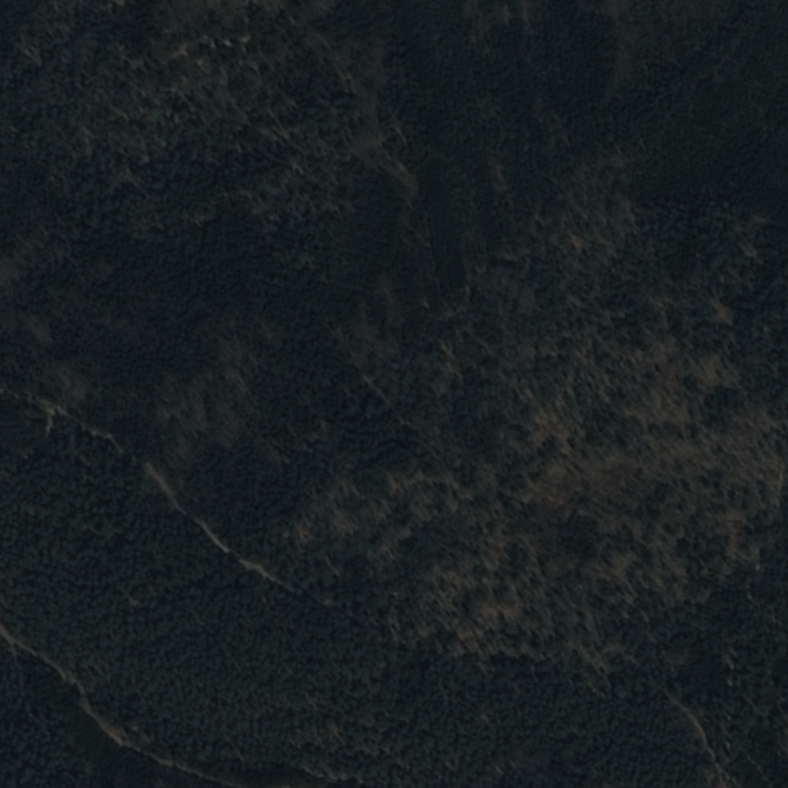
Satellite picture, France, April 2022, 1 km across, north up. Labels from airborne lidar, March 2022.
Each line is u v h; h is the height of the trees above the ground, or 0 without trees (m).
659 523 29
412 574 27
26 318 21
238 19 8
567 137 16
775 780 12
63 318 18
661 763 27
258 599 27
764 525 6
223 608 27
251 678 27
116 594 26
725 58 16
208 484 18
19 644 31
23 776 18
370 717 28
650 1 9
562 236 23
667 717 26
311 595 9
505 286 25
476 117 17
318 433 17
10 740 31
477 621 27
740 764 10
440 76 12
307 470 25
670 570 26
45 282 19
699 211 17
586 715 34
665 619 22
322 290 19
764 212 17
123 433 20
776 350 24
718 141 17
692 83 17
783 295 13
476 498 27
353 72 14
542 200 13
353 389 18
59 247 22
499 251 15
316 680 30
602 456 0
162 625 22
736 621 15
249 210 10
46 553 31
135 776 16
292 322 22
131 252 24
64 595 32
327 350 24
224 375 18
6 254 20
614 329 14
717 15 8
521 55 18
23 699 27
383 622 8
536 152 16
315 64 12
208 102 24
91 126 29
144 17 16
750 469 25
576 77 23
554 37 19
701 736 31
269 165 28
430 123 14
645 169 15
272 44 12
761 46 16
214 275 18
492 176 11
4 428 8
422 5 11
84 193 28
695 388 9
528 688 26
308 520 28
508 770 29
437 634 28
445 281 14
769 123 21
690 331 26
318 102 11
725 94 16
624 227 28
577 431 30
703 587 8
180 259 20
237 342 28
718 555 8
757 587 24
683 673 9
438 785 27
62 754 33
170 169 31
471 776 31
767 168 18
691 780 28
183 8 8
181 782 17
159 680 29
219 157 26
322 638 28
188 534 27
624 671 26
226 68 13
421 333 9
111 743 10
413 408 22
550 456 9
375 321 19
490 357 21
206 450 18
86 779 30
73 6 29
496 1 16
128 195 21
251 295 19
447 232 11
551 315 24
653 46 9
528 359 24
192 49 6
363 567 21
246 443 21
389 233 17
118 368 25
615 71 12
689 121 16
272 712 28
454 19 13
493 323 26
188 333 21
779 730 34
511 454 23
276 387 24
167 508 29
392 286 10
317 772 23
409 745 30
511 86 17
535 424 27
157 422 24
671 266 24
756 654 9
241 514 22
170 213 23
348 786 11
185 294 19
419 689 7
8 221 16
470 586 27
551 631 24
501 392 24
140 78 11
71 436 32
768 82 17
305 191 7
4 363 24
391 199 16
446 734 27
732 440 26
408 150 23
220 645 23
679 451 24
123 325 18
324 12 14
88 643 25
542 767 27
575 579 9
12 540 25
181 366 22
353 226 18
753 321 19
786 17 14
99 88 30
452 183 13
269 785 15
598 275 28
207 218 25
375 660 32
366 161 12
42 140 27
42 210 16
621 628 22
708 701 24
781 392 30
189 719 31
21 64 24
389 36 15
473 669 28
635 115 14
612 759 29
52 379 19
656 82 9
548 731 27
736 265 21
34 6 21
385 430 30
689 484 26
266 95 10
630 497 8
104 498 23
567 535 9
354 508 26
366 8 11
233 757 20
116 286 24
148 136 30
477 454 25
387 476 28
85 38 22
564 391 28
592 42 21
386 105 20
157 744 10
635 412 33
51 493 19
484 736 32
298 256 25
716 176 19
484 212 16
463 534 27
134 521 37
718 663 12
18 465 29
